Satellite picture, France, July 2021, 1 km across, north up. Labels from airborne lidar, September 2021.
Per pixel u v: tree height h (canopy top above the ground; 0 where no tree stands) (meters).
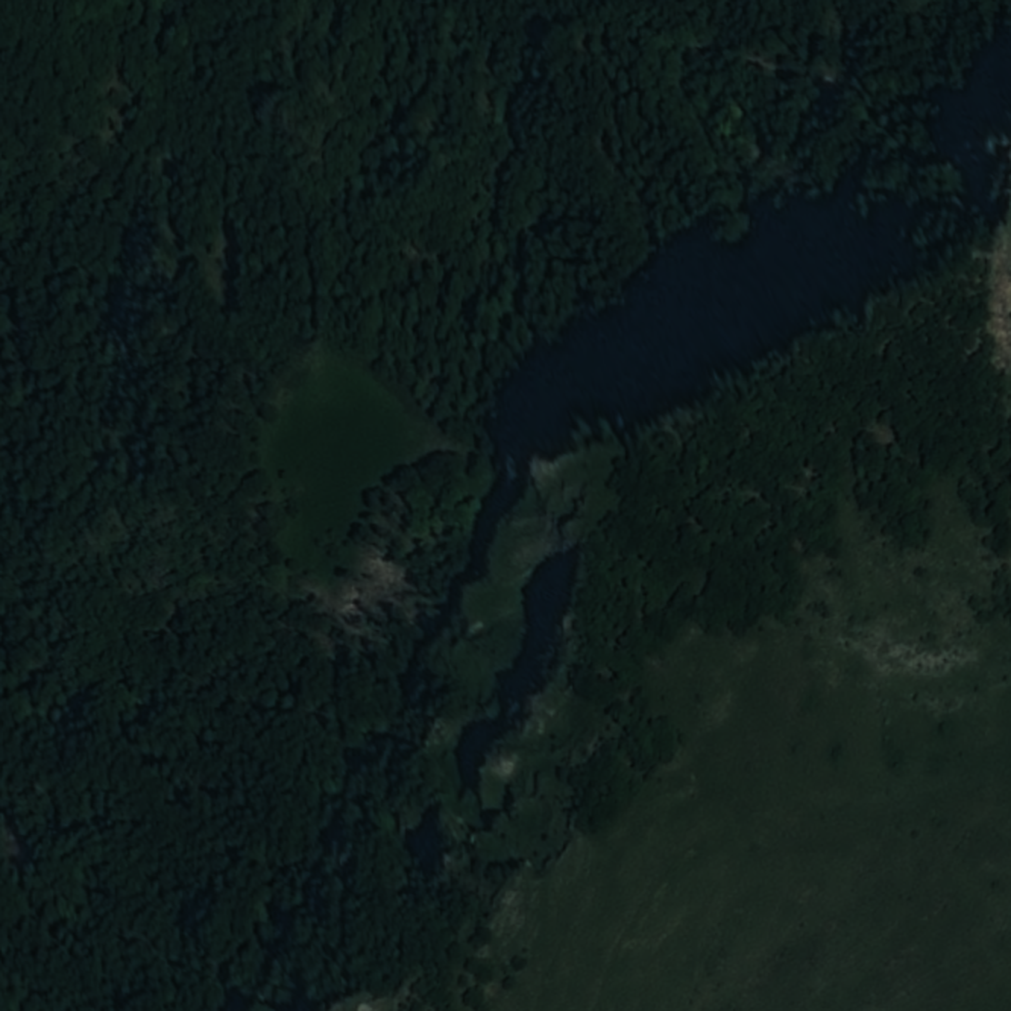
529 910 0
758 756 0
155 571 14
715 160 22
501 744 8
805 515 21
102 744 39
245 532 25
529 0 32
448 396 25
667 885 0
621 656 32
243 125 23
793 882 0
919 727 0
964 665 0
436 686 19
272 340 27
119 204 21
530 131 30
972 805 0
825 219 20
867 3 22
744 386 19
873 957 0
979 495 25
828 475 27
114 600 14
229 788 33
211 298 28
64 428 26
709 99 11
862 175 11
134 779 40
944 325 23
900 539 8
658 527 21
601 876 0
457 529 17
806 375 18
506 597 0
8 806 29
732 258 22
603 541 13
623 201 29
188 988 30
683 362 22
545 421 0
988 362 21
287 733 31
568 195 22
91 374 32
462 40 22
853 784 0
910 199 23
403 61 39
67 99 13
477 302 31
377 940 24
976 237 18
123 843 38
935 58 18
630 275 31
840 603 0
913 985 0
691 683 0
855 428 7
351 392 0
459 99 36
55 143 17
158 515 9
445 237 37
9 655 27
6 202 13
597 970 0
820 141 25
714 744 0
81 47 28
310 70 17
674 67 35
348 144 32
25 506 20
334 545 8
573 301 32
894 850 0
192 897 25
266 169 26
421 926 22
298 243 33
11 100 23
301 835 33
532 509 0
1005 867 0
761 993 0
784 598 18
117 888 31
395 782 16
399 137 17
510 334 6
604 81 38
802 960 0
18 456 18
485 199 31
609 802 18
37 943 27
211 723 41
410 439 0
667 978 0
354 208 38
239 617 33
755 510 27
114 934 27
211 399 20
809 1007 0
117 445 23
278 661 35
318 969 27
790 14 28
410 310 21
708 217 30
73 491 20
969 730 0
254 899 37
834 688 0
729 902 0
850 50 8
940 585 0
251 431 23
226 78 23
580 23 23
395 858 29
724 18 23
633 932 0
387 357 22
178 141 32
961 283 13
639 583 23
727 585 22
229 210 28
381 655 34
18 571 26
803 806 0
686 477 21
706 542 27
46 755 30
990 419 23
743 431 23
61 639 11
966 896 0
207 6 37
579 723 0
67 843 31
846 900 0
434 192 21
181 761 41
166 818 30
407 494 28
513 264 10
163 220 13
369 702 31
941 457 31
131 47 35
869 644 0
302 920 35
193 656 35
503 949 0
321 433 0
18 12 30
